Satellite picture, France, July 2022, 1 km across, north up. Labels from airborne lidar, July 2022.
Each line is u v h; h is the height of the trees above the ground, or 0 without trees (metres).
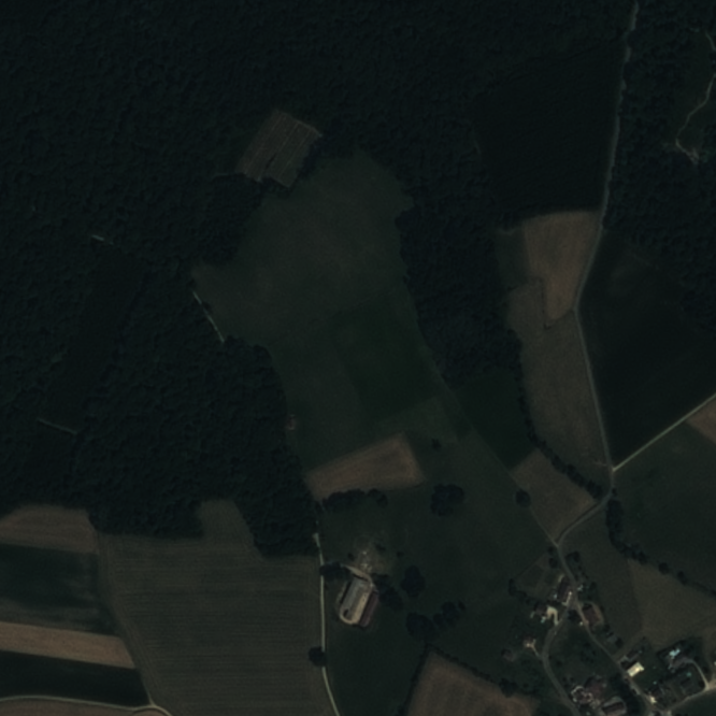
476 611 0
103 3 22
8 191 29
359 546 0
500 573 0
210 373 5
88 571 0
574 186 7
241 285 0
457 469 0
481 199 24
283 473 22
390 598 20
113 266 11
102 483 23
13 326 20
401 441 0
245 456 25
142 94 27
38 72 22
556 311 0
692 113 0
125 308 11
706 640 0
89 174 22
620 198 18
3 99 29
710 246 24
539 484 0
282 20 25
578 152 8
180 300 22
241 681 0
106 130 27
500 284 17
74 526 0
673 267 11
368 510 0
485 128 6
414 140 23
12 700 0
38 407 21
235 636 0
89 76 26
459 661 7
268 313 0
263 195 19
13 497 22
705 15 25
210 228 19
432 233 16
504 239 0
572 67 8
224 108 26
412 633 18
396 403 0
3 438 26
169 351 26
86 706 0
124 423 29
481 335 27
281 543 25
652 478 0
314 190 0
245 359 23
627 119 23
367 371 0
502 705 0
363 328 0
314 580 0
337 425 0
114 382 23
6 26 26
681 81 26
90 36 25
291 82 23
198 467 26
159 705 0
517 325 0
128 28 21
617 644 10
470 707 0
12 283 20
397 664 0
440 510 16
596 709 0
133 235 23
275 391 24
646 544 0
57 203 29
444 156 21
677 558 0
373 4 20
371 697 0
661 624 0
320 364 0
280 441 15
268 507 21
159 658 0
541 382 0
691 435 0
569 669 0
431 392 0
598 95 6
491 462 0
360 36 19
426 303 15
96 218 19
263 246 0
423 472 0
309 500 27
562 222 0
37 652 0
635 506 0
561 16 22
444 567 0
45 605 0
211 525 0
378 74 22
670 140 0
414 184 13
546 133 6
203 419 24
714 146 13
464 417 0
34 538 0
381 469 0
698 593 0
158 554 0
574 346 0
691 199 22
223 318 0
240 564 0
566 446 0
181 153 17
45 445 9
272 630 0
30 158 32
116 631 0
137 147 16
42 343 27
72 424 12
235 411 20
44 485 19
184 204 27
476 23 30
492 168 6
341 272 0
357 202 0
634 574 0
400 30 26
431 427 0
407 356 0
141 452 24
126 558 0
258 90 18
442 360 24
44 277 24
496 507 0
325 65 21
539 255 0
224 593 0
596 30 26
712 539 0
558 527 0
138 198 28
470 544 0
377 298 0
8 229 24
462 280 21
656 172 20
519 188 6
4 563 0
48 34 24
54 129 29
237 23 23
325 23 20
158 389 27
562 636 0
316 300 0
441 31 23
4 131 27
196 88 22
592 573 0
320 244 0
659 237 17
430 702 0
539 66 7
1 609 0
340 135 25
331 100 23
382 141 23
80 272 30
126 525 22
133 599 0
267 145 0
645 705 0
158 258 22
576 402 0
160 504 24
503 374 0
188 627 0
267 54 23
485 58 25
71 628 0
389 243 0
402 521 0
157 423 25
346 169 0
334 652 0
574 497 0
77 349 11
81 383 11
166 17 23
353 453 0
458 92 18
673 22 26
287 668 0
